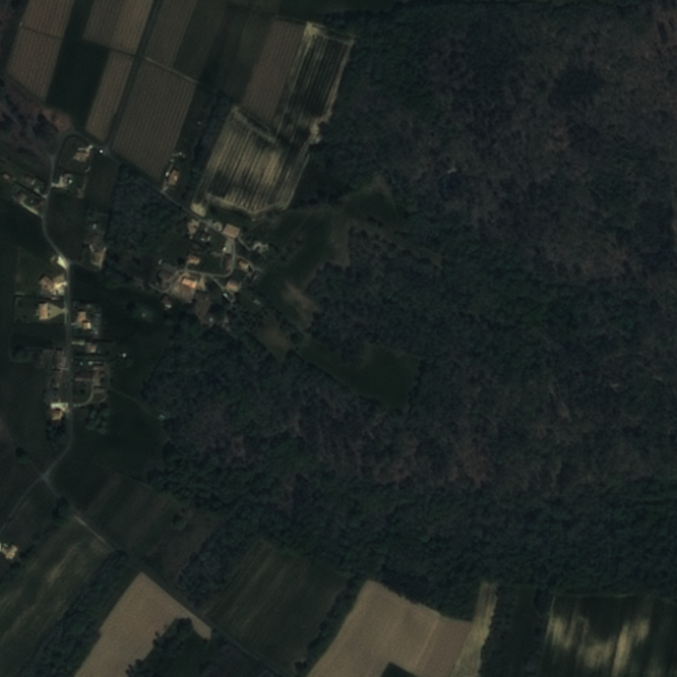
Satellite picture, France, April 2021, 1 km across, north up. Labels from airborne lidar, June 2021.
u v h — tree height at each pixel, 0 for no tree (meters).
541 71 11
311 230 0
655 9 15
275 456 20
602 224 15
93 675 0
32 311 0
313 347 0
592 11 8
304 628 0
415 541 15
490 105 17
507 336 14
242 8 0
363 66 18
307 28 0
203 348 15
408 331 21
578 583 16
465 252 13
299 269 0
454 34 13
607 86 12
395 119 18
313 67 0
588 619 0
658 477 19
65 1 0
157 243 12
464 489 17
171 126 0
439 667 0
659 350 14
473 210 13
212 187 0
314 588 0
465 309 15
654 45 11
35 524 0
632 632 0
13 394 0
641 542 13
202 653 0
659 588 11
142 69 0
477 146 14
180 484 15
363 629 0
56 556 0
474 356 13
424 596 17
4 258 0
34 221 0
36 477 0
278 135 0
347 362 12
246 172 0
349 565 15
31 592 0
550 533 19
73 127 0
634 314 16
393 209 0
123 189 16
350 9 0
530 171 11
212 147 13
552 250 12
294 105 0
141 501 0
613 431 13
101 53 0
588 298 14
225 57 0
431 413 22
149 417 0
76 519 0
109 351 0
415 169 12
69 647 17
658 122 10
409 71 21
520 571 13
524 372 15
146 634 0
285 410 20
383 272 13
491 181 8
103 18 0
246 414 27
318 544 14
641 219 14
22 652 0
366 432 9
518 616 0
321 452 27
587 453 16
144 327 0
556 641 0
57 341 0
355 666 0
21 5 18
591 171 8
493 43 17
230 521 13
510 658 0
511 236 13
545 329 10
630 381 12
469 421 9
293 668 0
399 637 0
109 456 0
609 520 7
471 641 0
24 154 15
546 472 19
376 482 11
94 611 14
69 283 0
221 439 13
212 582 18
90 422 11
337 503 19
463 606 15
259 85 0
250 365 21
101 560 0
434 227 11
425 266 12
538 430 10
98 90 0
